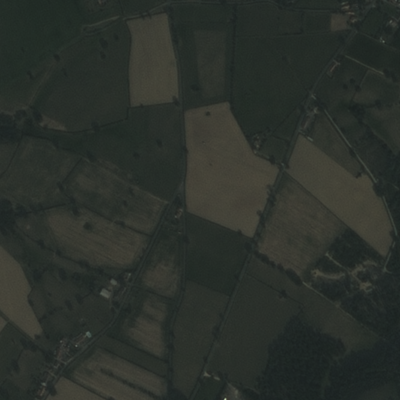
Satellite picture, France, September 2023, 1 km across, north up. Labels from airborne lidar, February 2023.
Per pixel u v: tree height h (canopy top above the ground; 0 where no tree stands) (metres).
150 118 0
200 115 0
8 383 0
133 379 0
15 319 0
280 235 0
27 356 0
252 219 0
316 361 23
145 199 0
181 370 0
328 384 0
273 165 0
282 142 0
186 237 11
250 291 0
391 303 22
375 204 0
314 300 0
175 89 0
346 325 0
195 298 0
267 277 0
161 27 0
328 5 0
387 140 0
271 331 0
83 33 0
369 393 0
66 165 0
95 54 0
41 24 0
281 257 0
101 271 13
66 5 0
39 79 0
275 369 22
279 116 0
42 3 0
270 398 27
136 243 0
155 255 0
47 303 0
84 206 0
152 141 0
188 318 0
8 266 0
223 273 0
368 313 20
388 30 14
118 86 0
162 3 0
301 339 23
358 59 0
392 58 0
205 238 0
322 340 26
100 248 0
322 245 0
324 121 0
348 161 0
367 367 19
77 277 15
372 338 0
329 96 0
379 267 0
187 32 0
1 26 0
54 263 0
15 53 0
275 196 12
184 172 0
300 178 0
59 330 0
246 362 0
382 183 13
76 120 0
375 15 0
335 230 0
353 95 0
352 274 0
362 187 0
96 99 0
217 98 0
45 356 13
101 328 0
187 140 0
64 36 0
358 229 0
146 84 0
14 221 10
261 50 0
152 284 0
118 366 0
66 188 0
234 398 0
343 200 0
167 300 0
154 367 0
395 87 0
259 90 0
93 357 0
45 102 0
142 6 0
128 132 0
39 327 0
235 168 0
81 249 0
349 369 26
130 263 0
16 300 0
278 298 0
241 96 0
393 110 0
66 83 0
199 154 0
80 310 0
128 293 0
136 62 0
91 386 0
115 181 0
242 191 0
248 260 6
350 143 0
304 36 0
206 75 0
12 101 0
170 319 0
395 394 0
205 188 0
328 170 0
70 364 0
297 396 25
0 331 0
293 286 0
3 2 0
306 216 0
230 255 0
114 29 0
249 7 0
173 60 0
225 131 0
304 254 0
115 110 0
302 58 0
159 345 0
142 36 0
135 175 0
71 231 0
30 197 0
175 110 0
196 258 0
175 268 0
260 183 0
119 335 0
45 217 0
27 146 0
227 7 0
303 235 0
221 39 0
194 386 0
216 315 0
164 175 0
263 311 0
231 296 0
